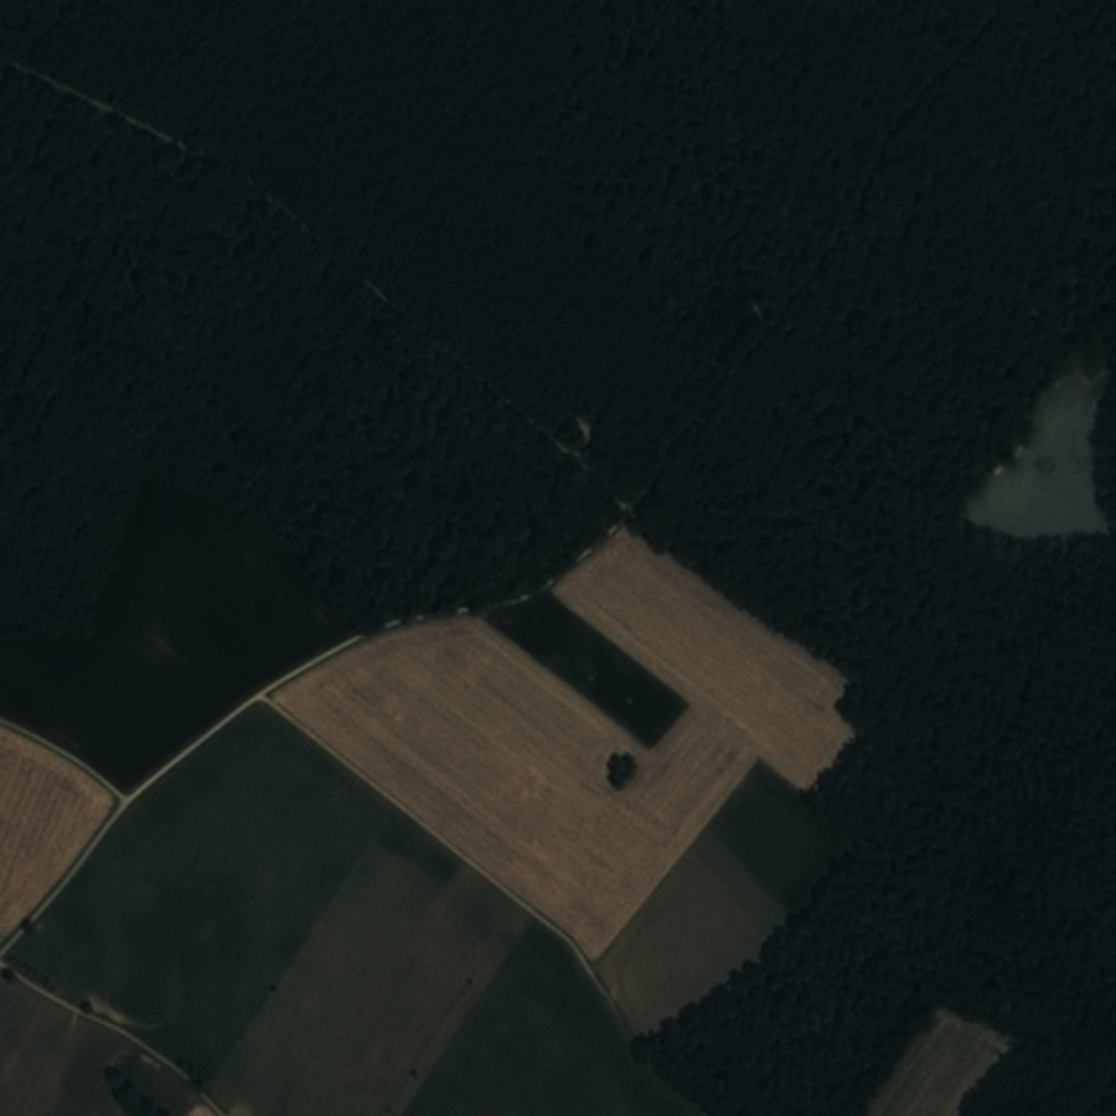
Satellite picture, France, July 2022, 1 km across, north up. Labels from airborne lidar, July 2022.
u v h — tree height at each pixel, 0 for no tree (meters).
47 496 22
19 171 23
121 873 0
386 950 0
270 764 0
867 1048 26
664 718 0
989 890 23
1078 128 18
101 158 20
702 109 20
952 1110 0
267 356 21
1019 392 20
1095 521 0
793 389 21
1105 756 24
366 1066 0
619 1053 0
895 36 21
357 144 10
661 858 0
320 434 22
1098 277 25
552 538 23
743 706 0
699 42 17
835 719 0
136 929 0
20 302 22
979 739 22
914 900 28
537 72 19
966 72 20
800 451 21
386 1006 0
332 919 0
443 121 19
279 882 0
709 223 23
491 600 16
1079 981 24
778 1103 26
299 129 18
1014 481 0
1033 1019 24
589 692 0
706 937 0
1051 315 17
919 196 21
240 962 0
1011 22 18
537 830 0
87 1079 0
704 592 0
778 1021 24
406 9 17
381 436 27
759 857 0
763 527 17
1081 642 19
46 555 24
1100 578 22
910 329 20
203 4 12
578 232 19
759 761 0
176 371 22
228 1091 0
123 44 13
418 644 0
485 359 16
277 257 26
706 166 19
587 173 23
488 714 0
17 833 0
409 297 19
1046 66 19
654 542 17
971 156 19
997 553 21
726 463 18
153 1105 19
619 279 19
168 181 25
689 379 21
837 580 23
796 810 0
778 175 26
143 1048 0
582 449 15
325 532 19
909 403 23
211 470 15
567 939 0
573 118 23
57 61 13
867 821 26
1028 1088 22
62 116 22
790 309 21
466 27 23
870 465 13
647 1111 0
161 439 22
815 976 16
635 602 0
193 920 0
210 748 0
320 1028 0
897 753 23
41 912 0
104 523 20
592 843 0
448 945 0
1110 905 19
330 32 16
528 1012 0
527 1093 0
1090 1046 26
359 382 17
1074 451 0
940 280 23
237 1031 0
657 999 0
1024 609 21
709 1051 24
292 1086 0
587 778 0
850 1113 20
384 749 0
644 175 23
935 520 21
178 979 0
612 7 23
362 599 19
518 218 19
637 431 18
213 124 17
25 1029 0
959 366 26
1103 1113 28
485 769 0
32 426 21
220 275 19
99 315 22
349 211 21
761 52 18
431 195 19
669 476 23
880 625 19
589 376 19
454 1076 0
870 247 26
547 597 0
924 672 22
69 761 0
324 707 0
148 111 17
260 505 16
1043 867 23
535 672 0
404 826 0
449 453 27
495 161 18
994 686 23
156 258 18
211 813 0
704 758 0
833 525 24
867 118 20
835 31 21
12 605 18
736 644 0
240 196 21
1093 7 20
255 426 20
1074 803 19
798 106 21
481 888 0
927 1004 25
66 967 0
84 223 23
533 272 19
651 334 17
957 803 11
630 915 0
